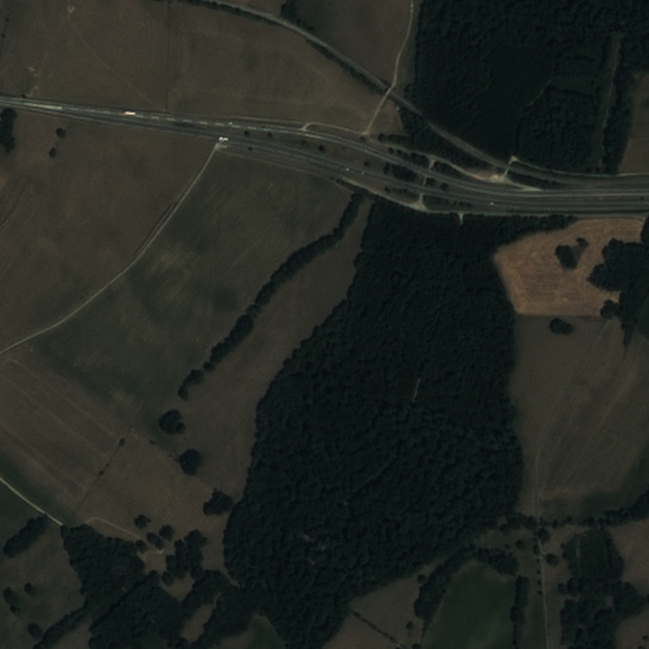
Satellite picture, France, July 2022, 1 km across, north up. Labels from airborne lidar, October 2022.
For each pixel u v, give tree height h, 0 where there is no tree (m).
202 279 0
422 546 18
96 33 0
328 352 8
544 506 0
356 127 0
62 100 0
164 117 0
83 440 0
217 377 0
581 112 24
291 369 15
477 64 22
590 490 0
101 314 0
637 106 0
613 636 6
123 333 0
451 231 11
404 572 21
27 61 0
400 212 18
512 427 20
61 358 0
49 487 0
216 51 0
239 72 0
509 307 24
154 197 0
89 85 0
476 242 10
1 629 0
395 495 27
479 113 17
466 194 0
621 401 0
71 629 15
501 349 18
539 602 0
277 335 0
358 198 13
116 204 0
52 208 0
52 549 0
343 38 0
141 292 0
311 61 0
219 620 18
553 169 16
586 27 19
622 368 0
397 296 25
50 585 0
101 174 0
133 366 0
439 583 23
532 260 0
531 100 10
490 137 13
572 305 0
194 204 0
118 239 0
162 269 0
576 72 25
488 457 5
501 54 15
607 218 0
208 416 0
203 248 0
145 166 0
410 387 10
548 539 16
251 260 0
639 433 0
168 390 0
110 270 0
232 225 0
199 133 0
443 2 23
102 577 22
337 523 22
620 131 23
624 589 21
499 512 19
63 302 0
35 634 19
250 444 0
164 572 0
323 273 0
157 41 0
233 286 0
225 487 0
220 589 16
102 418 0
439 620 0
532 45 26
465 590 0
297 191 0
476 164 14
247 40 0
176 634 20
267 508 23
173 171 0
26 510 0
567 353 0
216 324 0
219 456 0
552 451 0
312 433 36
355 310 16
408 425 20
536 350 0
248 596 21
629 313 17
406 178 13
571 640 7
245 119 0
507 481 24
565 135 21
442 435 26
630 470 0
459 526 23
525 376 0
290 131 0
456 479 29
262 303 15
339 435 26
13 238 0
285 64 0
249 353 0
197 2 9
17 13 0
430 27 13
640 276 22
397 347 21
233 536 20
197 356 0
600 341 0
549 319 0
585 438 0
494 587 0
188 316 0
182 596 0
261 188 0
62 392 0
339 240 10
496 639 0
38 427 0
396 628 0
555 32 26
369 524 28
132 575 12
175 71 0
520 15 25
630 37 21
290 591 23
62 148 0
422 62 13
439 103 16
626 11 22
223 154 0
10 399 0
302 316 0
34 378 0
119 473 0
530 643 0
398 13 0
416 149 15
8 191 0
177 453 0
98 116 0
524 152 20
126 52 0
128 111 0
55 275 0
